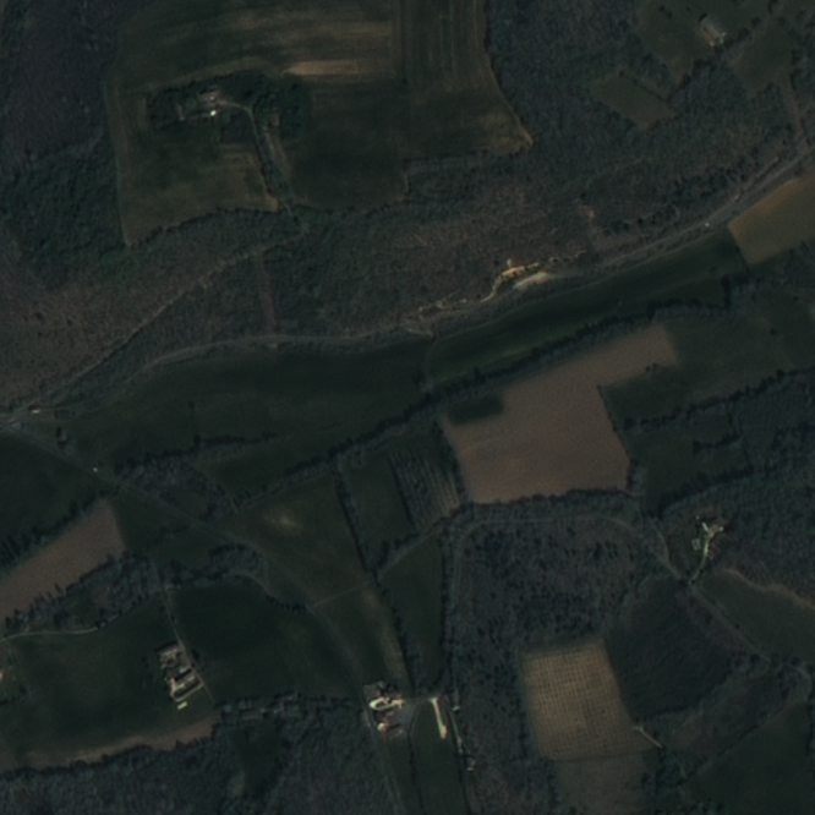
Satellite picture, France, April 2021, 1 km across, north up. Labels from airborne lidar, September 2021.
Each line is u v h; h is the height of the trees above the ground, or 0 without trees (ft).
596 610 19
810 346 0
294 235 54
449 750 0
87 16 40
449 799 0
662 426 27
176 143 0
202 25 0
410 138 0
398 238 37
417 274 32
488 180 40
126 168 0
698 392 0
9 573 45
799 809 0
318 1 0
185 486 28
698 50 0
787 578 68
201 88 25
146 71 0
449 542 52
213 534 0
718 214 31
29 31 20
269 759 0
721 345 0
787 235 0
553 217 29
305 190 0
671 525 64
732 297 101
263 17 0
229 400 0
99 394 33
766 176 32
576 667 0
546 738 0
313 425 0
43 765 0
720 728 0
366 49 0
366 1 0
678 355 0
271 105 23
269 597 26
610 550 30
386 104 0
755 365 0
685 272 0
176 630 35
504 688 33
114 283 66
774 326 0
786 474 62
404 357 0
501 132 0
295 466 0
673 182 25
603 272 39
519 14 65
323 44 0
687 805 0
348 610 0
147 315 49
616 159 59
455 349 0
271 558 0
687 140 60
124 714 0
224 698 0
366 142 0
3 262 50
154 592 44
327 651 0
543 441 0
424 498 72
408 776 0
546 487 0
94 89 37
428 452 0
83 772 55
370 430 0
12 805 72
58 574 0
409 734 22
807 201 0
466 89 0
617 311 0
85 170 46
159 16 0
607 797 0
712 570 38
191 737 0
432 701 0
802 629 0
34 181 38
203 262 59
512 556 40
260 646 0
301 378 0
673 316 63
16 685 0
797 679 58
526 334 0
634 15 61
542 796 37
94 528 0
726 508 70
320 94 0
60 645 0
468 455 0
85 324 27
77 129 37
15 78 30
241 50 0
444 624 41
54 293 47
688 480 0
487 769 36
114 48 32
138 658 0
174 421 0
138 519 0
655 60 36
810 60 31
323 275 44
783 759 0
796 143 56
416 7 0
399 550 48
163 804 74
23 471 0
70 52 33
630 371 0
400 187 0
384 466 0
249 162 0
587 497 34
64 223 19
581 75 66
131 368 39
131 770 69
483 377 0
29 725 0
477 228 34
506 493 0
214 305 37
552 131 78
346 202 0
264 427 0
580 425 0
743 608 0
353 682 0
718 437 0
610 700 0
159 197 0
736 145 45
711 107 52
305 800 57
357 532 76
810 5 0
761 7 0
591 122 57
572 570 30
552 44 62
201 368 0
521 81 61
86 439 0
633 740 0
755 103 39
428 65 0
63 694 0
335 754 83
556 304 0
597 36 59
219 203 0
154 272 70
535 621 24
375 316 29
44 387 42
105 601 0
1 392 0
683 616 18
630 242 22
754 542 63
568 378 0
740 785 0
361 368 0
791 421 38
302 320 38
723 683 36
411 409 0
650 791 44
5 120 23
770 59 0
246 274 35
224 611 0
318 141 0
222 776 43
